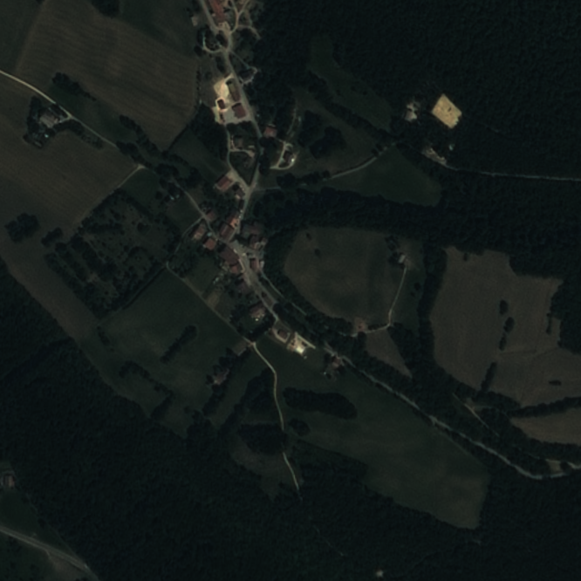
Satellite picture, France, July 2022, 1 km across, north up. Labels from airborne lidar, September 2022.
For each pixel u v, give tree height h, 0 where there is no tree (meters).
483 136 14
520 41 15
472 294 0
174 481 20
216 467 15
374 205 24
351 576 18
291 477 0
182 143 0
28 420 25
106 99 0
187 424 0
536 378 0
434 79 14
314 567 19
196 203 0
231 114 0
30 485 11
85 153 0
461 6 15
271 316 8
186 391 0
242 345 0
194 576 28
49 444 27
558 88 17
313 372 0
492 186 22
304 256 0
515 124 16
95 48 0
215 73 0
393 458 0
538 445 16
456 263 0
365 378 13
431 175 22
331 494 13
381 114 0
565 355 0
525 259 19
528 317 0
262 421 0
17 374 31
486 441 14
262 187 0
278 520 9
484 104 12
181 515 23
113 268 18
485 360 0
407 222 27
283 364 0
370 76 20
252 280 0
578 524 19
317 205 32
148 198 0
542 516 19
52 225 0
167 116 0
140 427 26
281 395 0
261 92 21
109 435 32
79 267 10
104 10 16
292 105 18
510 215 22
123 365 0
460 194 15
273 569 19
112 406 23
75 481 34
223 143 7
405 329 11
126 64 0
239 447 0
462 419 9
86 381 22
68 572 0
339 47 23
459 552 13
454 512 0
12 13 0
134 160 14
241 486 13
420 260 0
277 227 23
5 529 0
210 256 13
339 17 22
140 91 0
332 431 0
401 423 0
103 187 0
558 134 13
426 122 14
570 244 22
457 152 17
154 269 11
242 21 6
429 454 0
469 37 12
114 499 29
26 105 0
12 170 0
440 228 21
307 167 0
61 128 12
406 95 15
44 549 0
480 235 27
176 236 7
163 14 0
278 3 18
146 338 0
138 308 0
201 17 0
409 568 10
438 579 16
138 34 0
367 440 0
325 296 0
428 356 22
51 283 0
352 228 8
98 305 15
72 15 0
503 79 14
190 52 0
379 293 0
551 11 16
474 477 0
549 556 13
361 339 12
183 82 0
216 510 22
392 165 0
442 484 0
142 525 28
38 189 0
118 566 23
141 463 25
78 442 34
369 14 14
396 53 17
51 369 27
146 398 0
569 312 14
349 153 0
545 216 21
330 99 16
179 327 0
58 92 0
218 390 16
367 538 11
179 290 0
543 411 16
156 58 0
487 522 12
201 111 9
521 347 0
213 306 0
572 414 0
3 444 24
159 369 0
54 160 0
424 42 15
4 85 0
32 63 0
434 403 13
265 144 22
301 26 19
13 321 32
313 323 17
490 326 0
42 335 22
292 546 14
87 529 18
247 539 17
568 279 11
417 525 18
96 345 0
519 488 21
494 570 17
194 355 0
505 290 0
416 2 13
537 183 11
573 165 14
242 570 30
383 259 0
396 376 15
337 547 8
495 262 0
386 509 14
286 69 18
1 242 0
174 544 36
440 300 0
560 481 17
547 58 16
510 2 21
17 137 0
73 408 31
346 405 16
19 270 0
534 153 16
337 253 0
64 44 0
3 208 0
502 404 13
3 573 0
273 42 18
